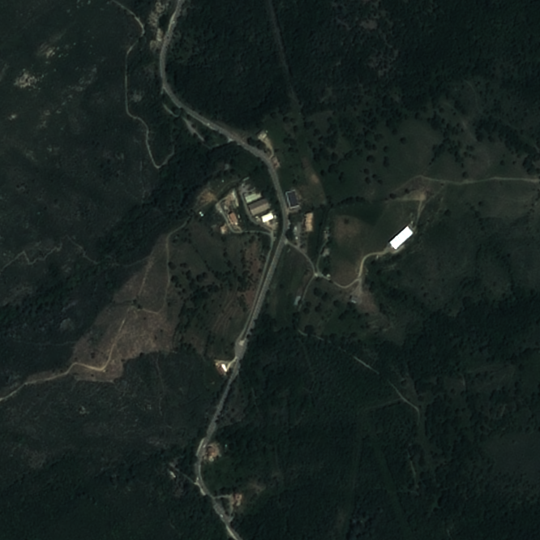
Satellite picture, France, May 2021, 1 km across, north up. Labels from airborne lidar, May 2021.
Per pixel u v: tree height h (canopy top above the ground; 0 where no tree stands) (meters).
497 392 13
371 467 7
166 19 15
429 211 0
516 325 11
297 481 8
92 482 7
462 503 14
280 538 11
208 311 7
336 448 11
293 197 0
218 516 13
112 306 0
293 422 12
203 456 0
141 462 9
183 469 12
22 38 0
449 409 13
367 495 8
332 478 6
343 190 0
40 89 0
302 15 12
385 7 9
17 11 0
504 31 10
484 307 14
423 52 17
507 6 11
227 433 14
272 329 13
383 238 0
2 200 0
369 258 0
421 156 0
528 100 9
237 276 7
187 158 17
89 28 0
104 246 13
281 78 17
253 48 9
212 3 13
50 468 10
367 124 9
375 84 11
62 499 6
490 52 8
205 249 0
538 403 12
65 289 9
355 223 0
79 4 0
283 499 7
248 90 10
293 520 10
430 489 16
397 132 8
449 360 16
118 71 6
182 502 10
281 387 13
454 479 11
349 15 11
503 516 16
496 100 10
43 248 0
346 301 0
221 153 13
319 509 10
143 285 0
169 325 0
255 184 0
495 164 0
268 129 0
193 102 13
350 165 0
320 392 6
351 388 8
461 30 14
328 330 0
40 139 0
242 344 0
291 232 11
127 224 9
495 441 0
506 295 12
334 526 8
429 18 11
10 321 7
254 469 6
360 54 12
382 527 8
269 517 10
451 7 11
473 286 8
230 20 8
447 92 8
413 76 19
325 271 7
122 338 0
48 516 6
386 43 9
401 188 0
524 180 0
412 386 0
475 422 6
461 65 13
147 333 0
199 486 10
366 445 8
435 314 12
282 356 12
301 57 12
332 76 7
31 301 9
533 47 9
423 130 0
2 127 0
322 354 6
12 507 7
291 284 0
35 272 0
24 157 0
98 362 0
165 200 17
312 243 0
